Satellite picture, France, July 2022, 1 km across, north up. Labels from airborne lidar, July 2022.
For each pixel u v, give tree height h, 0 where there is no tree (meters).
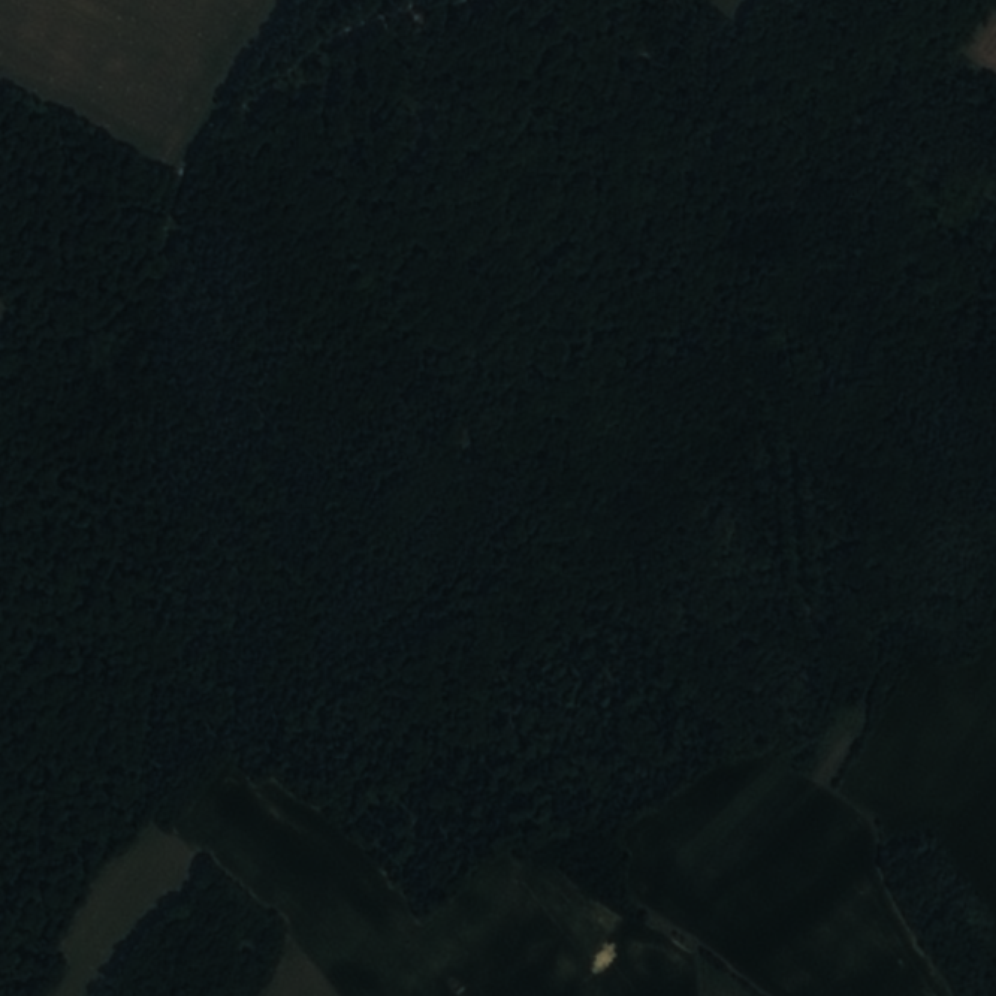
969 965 28
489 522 19
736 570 18
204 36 0
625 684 13
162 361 26
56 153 30
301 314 20
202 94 0
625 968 0
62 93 0
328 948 0
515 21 30
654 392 20
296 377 17
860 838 0
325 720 19
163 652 19
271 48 29
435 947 0
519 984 0
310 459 22
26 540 25
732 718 21
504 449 18
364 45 28
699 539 18
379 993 0
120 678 23
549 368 21
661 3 23
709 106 21
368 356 16
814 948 0
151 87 0
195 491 21
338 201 28
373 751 18
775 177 25
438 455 21
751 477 26
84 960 0
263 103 28
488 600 18
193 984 18
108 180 27
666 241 24
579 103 16
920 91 22
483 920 0
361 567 15
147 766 16
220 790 0
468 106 26
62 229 13
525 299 24
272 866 0
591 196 26
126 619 23
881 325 23
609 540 19
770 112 18
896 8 27
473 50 22
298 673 19
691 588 21
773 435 30
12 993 23
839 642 19
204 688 22
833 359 23
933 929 22
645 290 25
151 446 24
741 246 23
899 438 19
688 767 15
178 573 18
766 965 0
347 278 19
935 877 21
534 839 21
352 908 0
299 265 24
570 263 25
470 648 20
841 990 0
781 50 24
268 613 23
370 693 20
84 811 24
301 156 28
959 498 14
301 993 0
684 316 17
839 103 24
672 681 16
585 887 15
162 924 17
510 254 25
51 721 22
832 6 21
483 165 32
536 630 23
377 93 27
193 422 23
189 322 32
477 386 22
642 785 11
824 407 22
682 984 0
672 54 25
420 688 27
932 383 20
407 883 14
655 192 22
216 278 28
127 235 24
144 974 19
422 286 28
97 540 19
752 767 0
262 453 22
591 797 12
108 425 23
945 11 26
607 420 21
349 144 31
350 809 15
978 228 18
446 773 17
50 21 0
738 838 0
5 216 30
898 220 23
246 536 28
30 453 23
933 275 25
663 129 26
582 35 30
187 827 0
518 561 20
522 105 30
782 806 0
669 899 0
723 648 19
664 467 20
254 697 17
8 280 22
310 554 20
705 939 0
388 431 17
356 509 18
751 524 24
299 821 0
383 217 29
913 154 21
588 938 0
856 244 21
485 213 29
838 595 24
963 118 19
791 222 25
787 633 33
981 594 27
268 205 26
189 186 20
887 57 20
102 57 0
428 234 28
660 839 0
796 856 0
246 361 29
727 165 24
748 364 23
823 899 0
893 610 21
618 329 24
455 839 15
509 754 11
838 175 17
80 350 23
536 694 13
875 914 0
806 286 21
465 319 26
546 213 22
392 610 15
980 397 16
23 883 22
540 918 0
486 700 20
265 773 20
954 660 17
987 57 0
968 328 27
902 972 0
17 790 26
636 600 19
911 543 18
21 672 24
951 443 20
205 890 21
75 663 25
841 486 25
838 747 0
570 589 21
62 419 13
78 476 25
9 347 25
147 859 0
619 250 27
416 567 20
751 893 0
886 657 15
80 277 26
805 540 34
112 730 26
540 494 17
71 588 17
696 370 17
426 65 24
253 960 21
